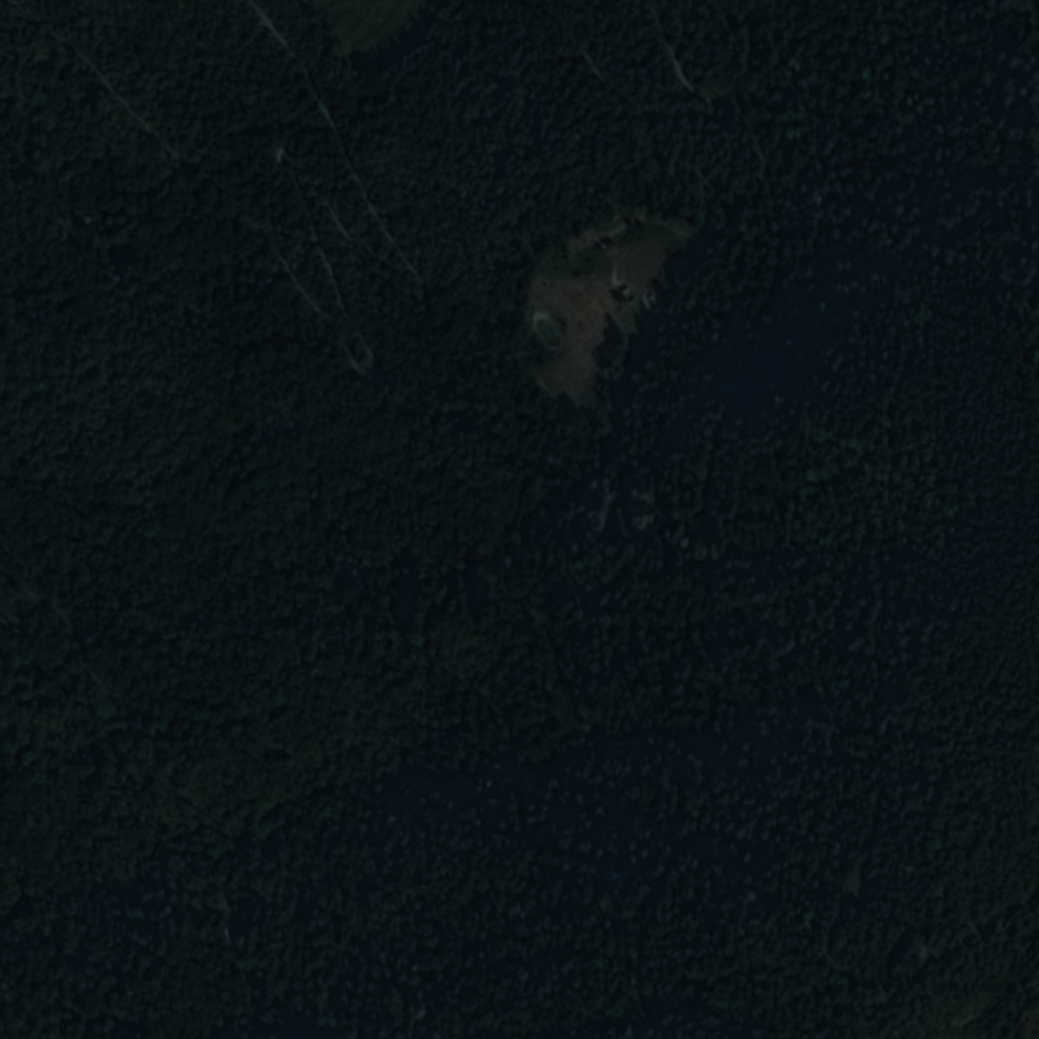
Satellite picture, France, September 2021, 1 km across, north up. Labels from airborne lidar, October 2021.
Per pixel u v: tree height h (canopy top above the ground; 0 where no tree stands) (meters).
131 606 27
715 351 18
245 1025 18
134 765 27
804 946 17
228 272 21
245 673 31
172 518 28
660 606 18
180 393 18
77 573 29
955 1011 14
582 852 38
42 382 22
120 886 18
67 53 15
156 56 27
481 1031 13
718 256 27
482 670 33
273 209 22
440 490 28
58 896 26
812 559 10
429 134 30
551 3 19
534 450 14
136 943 24
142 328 26
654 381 27
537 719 27
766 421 21
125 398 22
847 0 19
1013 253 16
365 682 20
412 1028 10
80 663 12
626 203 18
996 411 24
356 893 11
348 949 12
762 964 16
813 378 12
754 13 8
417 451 28
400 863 19
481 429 14
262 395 23
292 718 28
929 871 15
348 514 29
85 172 24
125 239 20
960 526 15
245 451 24
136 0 23
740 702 19
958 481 14
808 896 13
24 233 22
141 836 26
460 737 24
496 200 17
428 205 14
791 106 18
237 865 14
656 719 29
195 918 13
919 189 17
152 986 28
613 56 27
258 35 11
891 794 29
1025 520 21
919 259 15
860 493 17
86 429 21
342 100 29
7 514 27
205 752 27
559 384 0
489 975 21
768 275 25
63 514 25
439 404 17
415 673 12
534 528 8
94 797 25
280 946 17
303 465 27
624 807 18
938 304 20
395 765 21
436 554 27
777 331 15
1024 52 9
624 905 27
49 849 26
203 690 32
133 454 22
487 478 25
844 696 13
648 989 17
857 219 25
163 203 25
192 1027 29
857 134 7
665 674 7
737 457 18
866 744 20
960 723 14
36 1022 22
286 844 20
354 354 16
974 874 10
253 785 19
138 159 21
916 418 21
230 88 16
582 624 24
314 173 19
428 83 24
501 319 11
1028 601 16
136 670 29
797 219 20
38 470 20
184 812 24
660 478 25
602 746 10
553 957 12
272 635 29
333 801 20
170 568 28
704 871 18
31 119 22
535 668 29
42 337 31
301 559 19
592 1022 20
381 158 21
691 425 23
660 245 0
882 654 27
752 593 17
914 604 13
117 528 31
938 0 20
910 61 8
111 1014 27
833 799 23
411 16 0
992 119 11
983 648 19
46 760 24
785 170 6
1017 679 19
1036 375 12
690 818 19
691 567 6
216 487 30
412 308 14
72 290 26
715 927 18
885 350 22
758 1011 19
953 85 21
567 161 25
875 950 14
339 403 34
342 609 23
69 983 31
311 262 17
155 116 23
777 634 12
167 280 21
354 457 26
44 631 27
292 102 16
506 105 28
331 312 25
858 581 17
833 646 7
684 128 30
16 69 28
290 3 11
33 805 33
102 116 29
